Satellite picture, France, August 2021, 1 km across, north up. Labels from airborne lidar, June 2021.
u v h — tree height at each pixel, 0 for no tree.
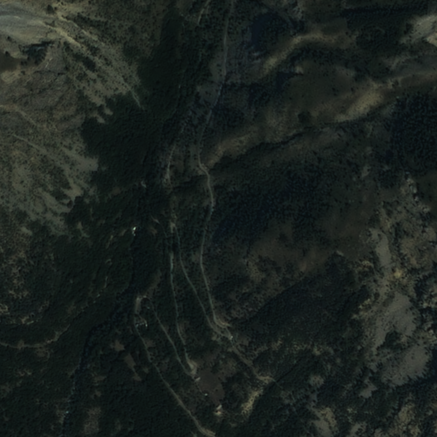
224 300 6
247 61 0
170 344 10
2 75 0
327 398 10
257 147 13
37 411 13
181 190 13
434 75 0
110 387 9
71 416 9
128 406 18
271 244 0
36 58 12
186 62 10
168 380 8
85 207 9
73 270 10
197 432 8
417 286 8
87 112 7
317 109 0
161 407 9
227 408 8
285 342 7
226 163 8
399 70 0
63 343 12
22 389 12
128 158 9
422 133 16
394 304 0
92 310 11
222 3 7
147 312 7
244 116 8
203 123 6
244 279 6
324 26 0
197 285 7
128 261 13
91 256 13
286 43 0
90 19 10
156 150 10
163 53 10
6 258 6
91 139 17
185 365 8
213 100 0
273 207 7
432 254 0
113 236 6
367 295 8
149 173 11
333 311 7
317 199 6
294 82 0
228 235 6
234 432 6
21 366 11
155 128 9
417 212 0
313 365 7
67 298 14
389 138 0
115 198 9
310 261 0
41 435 13
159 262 10
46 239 6
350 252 0
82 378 8
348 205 8
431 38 0
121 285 13
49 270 11
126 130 14
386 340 8
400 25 13
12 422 13
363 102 0
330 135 0
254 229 11
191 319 13
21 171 0
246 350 6
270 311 13
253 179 6
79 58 8
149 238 12
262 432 6
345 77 0
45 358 6
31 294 7
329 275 5
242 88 7
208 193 6
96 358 14
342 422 7
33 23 0
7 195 7
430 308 6
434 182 0
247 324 9
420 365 0
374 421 7
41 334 7
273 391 10
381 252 0
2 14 0
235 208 7
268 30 8
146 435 13
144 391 14
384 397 7
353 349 6
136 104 8
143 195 13
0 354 10
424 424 7
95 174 13
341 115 0
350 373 6
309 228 10
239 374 9
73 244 6
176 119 8
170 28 12
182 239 6
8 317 7
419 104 14
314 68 0
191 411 5
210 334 7
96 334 19
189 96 8
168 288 9
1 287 9
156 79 9
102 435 15
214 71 0
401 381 0
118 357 14
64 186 7
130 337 11
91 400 6
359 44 15
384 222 0
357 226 0
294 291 7
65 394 11
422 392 9
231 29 7
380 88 0
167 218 8
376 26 7
